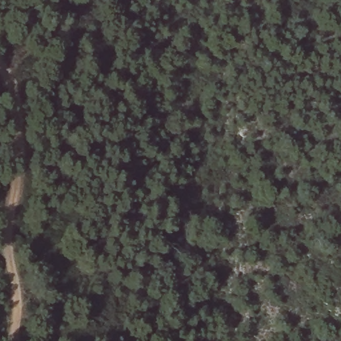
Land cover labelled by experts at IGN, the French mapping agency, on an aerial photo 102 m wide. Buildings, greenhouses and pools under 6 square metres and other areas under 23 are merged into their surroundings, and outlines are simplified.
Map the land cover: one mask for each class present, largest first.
<instances>
[{"label":"coniferous trees","instance_id":"1","mask_svg":"<svg viewBox=\"0 0 341 341\"><path fill-rule=\"evenodd\" d=\"M11 57L12 64L7 72L11 73L17 83L29 77L25 91L27 103L24 104V108H31L27 113V141L33 148L29 170H24V159H20L12 151V141L19 139L20 131H15V121L5 119L7 109H12V96L0 83V202L7 200L16 176L23 178V192L19 202L25 210L24 222L36 236L31 246L24 244L15 253L24 305L20 328L15 334L8 333L13 309L12 296L15 292L12 289L13 277L7 272V262L3 256L5 246L0 242V341H341V0H0V61Z\"/></svg>","mask_w":341,"mask_h":341},{"label":"pervious surface","instance_id":"2","mask_svg":"<svg viewBox=\"0 0 341 341\"><path fill-rule=\"evenodd\" d=\"M12 64L11 57L0 61V83L12 96V109H7L5 119L15 121V131H20L19 139L12 141V151L20 159H24V170H29L33 148L27 141V113L31 108H24V104L27 103L25 91L29 77L17 83L11 73L7 72ZM23 192V178L16 176L7 200L0 202V242L5 246L3 256L7 262V272L13 277L12 289L15 292L12 296L13 309L8 333L15 334L20 328L24 305L15 253L24 244L31 246L36 236L24 222L25 210L19 202Z\"/></svg>","mask_w":341,"mask_h":341}]
</instances>
